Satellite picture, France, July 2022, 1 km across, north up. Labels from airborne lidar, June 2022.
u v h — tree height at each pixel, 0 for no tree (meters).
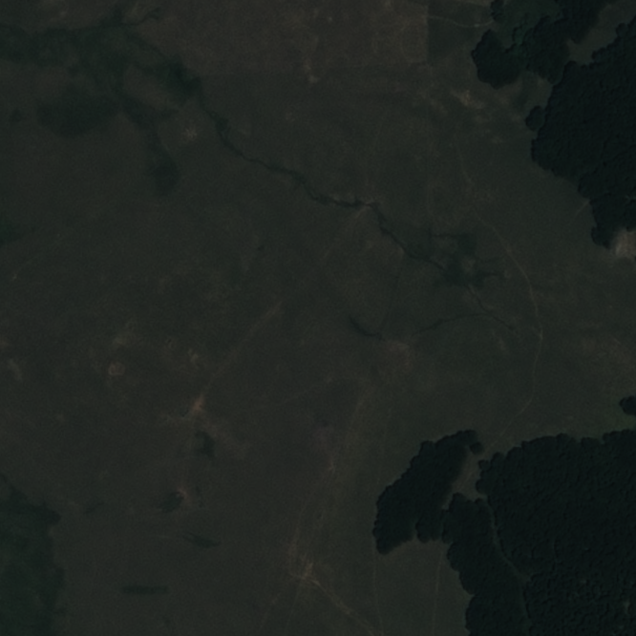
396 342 0
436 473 16
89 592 0
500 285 0
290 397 0
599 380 0
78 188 0
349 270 0
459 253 0
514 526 14
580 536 9
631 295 0
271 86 0
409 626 0
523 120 0
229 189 0
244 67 0
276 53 0
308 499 0
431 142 0
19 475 0
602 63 16
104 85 0
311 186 0
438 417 0
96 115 0
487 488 14
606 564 13
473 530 17
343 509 0
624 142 16
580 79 19
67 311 0
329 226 0
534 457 16
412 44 0
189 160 0
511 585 8
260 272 0
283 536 0
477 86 0
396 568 0
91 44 0
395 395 0
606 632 7
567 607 14
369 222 0
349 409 0
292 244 0
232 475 0
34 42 0
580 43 13
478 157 0
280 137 0
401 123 0
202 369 0
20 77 0
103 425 0
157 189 0
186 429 0
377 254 0
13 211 0
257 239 0
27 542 0
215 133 0
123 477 0
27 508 0
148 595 0
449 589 0
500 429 0
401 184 0
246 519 0
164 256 0
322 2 0
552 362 0
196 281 0
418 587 0
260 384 0
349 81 0
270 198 0
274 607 0
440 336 0
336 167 0
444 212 0
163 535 0
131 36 0
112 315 0
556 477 13
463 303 0
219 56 0
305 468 0
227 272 0
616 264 0
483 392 0
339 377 0
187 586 0
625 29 16
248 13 0
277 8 0
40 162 0
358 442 0
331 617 0
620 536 14
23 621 0
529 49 18
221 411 0
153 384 0
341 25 0
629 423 0
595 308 0
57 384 0
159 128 0
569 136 19
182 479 0
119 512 0
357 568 0
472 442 14
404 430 0
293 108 0
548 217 0
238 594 0
